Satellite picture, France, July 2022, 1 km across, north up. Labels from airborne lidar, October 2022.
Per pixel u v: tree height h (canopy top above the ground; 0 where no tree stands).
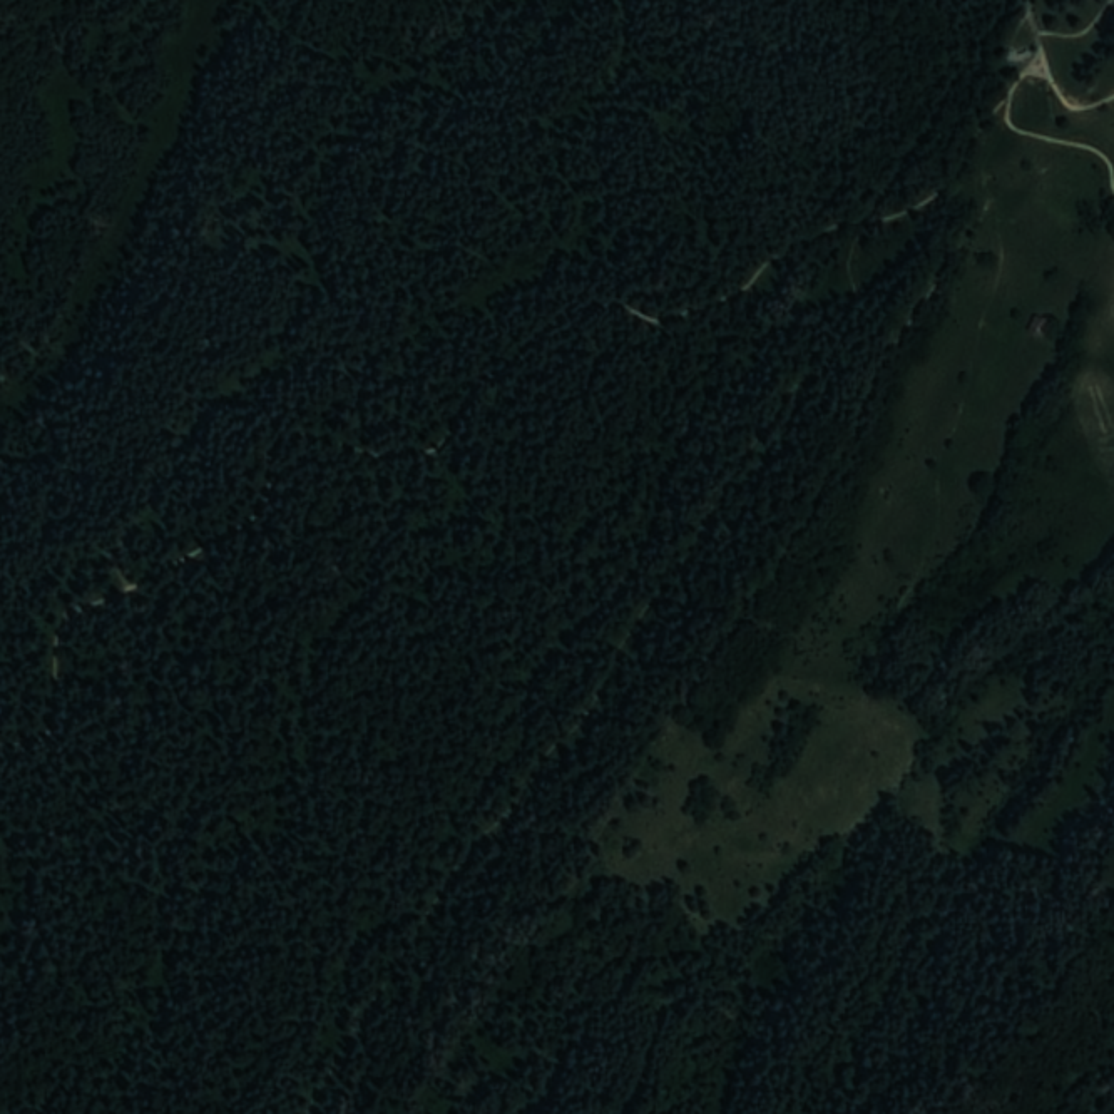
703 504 29
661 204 26
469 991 32
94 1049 8
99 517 32
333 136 8
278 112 25
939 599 16
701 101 22
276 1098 27
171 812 20
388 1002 14
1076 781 0
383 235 15
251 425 32
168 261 31
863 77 30
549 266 9
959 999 25
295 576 32
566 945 24
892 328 11
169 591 21
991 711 0
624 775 23
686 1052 27
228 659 20
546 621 30
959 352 0
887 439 19
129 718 22
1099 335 0
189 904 30
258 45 31
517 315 24
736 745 0
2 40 24
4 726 38
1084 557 0
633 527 11
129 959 18
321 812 9
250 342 30
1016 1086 21
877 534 0
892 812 29
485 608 15
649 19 25
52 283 16
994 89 14
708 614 20
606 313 21
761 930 24
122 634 31
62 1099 17
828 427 21
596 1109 22
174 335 24
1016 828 29
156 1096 28
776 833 0
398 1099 13
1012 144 0
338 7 18
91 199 20
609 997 31
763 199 27
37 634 31
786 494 22
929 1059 21
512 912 11
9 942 18
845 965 34
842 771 0
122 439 32
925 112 14
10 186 21
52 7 17
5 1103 26
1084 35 0
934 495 0
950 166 25
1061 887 25
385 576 35
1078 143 0
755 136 30
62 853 13
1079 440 0
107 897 27
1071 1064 29
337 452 16
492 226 32
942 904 30
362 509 6
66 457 31
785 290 32
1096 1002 21
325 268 26
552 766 13
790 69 30
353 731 19
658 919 29
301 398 26
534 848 19
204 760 18
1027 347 0
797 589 21
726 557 20
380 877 28
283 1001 25
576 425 26
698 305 25
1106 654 23
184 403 27
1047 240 0
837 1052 17
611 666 18
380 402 22
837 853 20
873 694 14
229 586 27
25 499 34
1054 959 28
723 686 23
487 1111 31
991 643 34
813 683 0
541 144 30
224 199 31
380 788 23
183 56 0
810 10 28
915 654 30
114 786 20
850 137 19
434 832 31
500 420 28
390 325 27
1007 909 29
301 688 28
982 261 11
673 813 0
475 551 23
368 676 20
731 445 19
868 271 0
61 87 0
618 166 28
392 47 19
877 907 19
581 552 32
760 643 28
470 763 19
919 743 7
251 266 31
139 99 22
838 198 13
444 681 19
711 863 0
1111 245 0
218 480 32
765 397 19
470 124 33
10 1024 10
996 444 0
